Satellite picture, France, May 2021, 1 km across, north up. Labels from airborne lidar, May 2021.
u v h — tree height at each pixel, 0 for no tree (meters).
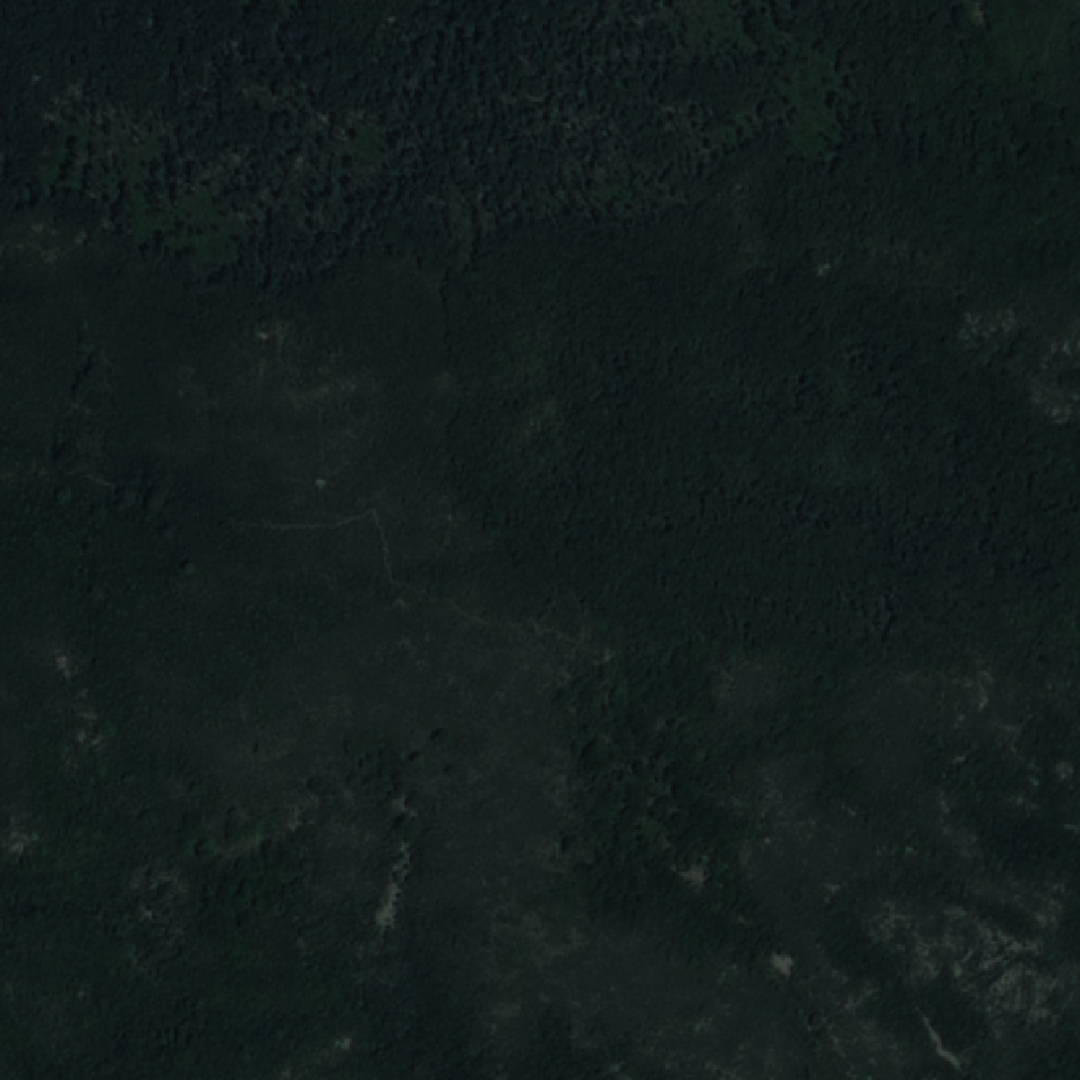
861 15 8
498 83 15
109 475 6
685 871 10
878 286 8
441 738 18
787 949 8
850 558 16
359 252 14
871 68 9
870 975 10
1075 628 9
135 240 20
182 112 18
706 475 10
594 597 13
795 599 16
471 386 9
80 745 10
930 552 24
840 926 7
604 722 13
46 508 9
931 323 14
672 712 6
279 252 16
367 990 10
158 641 6
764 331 23
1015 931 15
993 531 22
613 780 11
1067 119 20
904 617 17
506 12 15
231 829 14
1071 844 15
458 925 7
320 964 9
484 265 16
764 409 17
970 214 7
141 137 20
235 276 17
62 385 6
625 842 17
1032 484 20
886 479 10
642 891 17
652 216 13
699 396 13
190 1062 10
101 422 6
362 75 19
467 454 14
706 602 15
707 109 18
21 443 7
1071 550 17
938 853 8
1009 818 10
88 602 8
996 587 16
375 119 21
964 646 13
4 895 10
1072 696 6
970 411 17
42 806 6
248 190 18
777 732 6
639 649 13
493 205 14
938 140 21
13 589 8
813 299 12
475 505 11
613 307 21
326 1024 8
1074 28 7
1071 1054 10
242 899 22
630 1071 7
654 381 17
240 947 8
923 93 6
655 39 19
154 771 7
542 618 8
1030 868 9
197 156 15
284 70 25
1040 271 7
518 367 11
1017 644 11
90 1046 9
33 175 19
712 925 9
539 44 11
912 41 11
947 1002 7
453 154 18
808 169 7
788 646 13
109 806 6
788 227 9
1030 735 8
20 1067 10
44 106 16
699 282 16
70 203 23
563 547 20
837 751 8
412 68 20
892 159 9
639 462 16
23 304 8
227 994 9
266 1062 6
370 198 17
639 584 12
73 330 6
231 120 20
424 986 7
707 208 15
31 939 7
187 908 15
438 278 8
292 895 6
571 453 13
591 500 20
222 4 22
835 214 12
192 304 9
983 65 25
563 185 14
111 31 20
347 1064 8
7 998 6
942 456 17
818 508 22
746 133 16
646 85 10
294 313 6
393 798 8
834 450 8
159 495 18
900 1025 7
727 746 7
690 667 9
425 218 16
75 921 8
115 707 7
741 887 9
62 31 13
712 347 12
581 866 10
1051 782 12
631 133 12
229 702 7
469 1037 8
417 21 23
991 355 6
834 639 11
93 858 6
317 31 22
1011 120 18
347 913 8
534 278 18
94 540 8
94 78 19
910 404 16
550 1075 9
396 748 8
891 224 7
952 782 8
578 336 18
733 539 20
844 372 13
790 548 18
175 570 7
